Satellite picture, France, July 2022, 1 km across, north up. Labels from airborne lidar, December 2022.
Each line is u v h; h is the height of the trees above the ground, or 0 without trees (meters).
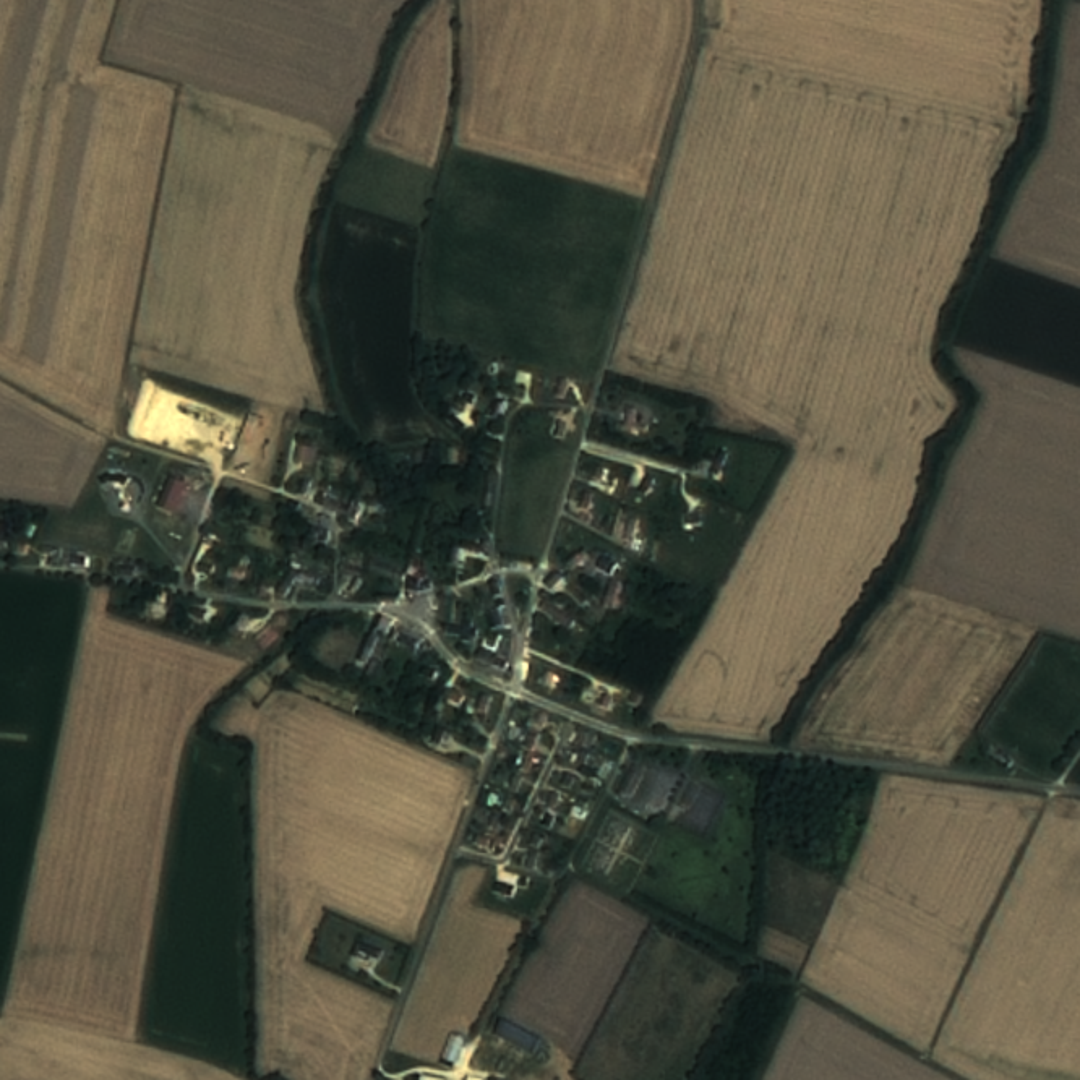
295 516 11
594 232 0
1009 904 0
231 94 0
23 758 0
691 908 0
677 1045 0
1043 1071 0
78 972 0
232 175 0
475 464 14
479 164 0
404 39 0
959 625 0
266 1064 0
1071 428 0
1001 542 0
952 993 0
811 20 0
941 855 0
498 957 0
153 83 0
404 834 0
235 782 0
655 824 16
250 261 0
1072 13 0
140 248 0
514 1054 0
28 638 0
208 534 8
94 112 0
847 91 0
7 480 0
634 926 0
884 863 0
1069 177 0
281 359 0
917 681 0
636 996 0
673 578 0
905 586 0
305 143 0
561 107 0
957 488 0
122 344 0
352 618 0
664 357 0
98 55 0
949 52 0
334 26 0
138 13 0
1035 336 0
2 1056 0
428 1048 0
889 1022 0
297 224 0
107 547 0
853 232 0
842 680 0
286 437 0
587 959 0
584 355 0
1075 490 0
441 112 0
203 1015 0
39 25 0
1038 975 0
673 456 9
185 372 0
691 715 0
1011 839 0
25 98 0
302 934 0
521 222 0
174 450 0
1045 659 0
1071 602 0
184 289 0
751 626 0
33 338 0
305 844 0
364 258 0
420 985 0
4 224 0
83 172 0
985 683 0
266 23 0
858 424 0
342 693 0
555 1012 0
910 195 0
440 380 14
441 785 0
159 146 0
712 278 0
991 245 11
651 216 0
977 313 0
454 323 0
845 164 0
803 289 0
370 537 6
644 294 0
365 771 0
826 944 0
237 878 0
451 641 0
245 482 0
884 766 0
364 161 0
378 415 0
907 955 0
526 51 0
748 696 0
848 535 0
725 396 0
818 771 24
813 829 29
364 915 0
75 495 0
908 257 0
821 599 0
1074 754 9
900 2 0
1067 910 0
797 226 0
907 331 0
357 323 0
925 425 0
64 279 0
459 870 0
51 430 0
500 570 0
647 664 10
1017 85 0
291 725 0
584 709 0
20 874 0
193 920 0
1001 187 13
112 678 0
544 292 0
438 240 0
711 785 0
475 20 0
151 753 0
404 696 6
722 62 0
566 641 15
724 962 6
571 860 0
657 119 0
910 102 0
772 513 0
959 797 0
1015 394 0
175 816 0
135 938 0
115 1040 0
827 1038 0
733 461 0
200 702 0
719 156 0
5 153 0
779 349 0
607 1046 0
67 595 0
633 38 0
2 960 0
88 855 0
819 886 0
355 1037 0
